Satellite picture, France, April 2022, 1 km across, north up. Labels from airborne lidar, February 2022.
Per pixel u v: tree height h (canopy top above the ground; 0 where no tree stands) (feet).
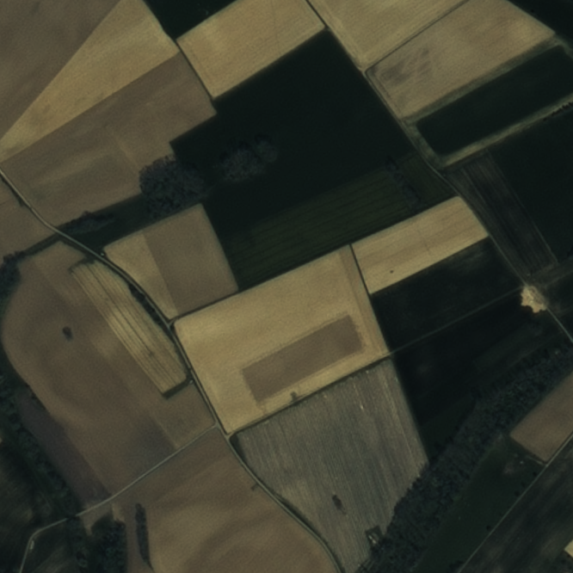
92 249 0
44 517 0
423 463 0
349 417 0
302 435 0
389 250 0
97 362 0
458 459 62
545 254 0
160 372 0
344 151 0
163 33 0
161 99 0
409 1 0
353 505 0
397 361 0
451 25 0
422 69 0
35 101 0
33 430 0
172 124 0
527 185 0
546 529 0
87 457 0
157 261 0
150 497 0
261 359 0
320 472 0
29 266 0
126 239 0
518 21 0
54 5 0
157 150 0
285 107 0
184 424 0
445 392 0
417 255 0
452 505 73
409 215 0
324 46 0
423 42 0
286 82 0
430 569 0
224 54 0
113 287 0
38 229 0
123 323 0
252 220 0
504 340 0
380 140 0
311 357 0
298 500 0
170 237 0
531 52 0
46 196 0
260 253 0
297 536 0
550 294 0
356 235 0
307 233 0
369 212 0
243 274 0
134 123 0
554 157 0
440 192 0
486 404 86
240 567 0
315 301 0
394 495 0
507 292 0
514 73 0
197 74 0
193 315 0
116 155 0
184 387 0
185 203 89
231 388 0
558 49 0
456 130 0
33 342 0
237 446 0
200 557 0
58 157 0
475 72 0
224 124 0
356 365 0
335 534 0
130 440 0
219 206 0
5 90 0
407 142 0
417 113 0
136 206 0
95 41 0
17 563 0
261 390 0
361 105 0
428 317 0
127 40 0
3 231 0
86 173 0
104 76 0
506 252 0
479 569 0
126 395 0
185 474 0
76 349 0
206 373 0
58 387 0
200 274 0
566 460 0
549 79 0
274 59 0
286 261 0
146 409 0
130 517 0
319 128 0
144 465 0
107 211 0
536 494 0
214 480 0
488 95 0
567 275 0
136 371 0
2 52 0
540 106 0
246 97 0
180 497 0
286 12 0
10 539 0
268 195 0
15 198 0
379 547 0
